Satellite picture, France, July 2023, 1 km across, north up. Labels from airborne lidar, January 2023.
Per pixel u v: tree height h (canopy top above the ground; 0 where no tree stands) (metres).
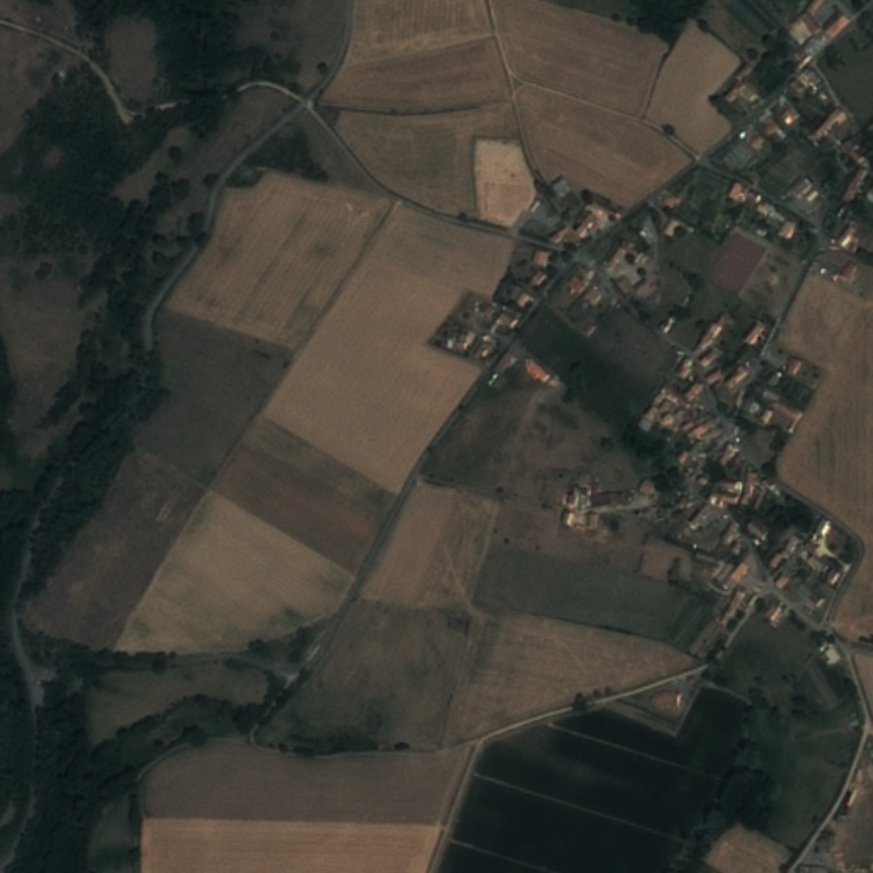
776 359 0
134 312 16
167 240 13
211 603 0
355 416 0
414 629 0
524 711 0
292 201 0
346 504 0
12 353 0
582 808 0
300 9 0
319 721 0
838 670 0
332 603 0
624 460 0
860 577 0
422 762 0
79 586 0
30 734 18
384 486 0
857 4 12
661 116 0
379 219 0
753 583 0
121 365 0
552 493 0
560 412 0
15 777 18
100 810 18
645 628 0
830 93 0
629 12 0
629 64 0
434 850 0
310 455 0
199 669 0
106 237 10
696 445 0
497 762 0
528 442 0
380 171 0
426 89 0
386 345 0
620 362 0
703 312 0
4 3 0
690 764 0
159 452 0
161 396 8
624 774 0
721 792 0
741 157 0
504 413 0
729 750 0
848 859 0
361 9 0
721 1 0
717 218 0
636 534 0
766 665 0
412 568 0
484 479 0
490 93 0
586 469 0
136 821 15
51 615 0
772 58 15
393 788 0
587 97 0
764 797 27
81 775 22
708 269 0
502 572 0
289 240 0
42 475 0
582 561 0
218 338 0
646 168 0
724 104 15
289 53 0
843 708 0
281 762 0
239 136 0
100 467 12
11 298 0
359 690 0
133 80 0
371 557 0
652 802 0
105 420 9
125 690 0
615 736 0
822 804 0
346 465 0
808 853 0
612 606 0
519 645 0
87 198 15
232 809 0
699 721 0
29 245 6
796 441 0
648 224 0
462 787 0
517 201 0
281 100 0
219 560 0
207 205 0
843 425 0
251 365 0
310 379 0
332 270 0
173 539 0
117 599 0
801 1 0
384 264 0
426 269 0
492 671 0
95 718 0
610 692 8
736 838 0
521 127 0
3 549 21
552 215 0
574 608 0
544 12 0
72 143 15
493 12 0
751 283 0
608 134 0
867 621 0
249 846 0
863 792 0
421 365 0
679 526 0
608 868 0
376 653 0
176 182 0
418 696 0
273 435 0
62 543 10
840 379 0
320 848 0
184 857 0
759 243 0
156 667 9
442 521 0
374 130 0
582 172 0
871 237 0
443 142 0
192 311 0
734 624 7
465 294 0
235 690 0
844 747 0
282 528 0
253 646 8
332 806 0
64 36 0
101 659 11
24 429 0
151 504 0
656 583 0
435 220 0
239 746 0
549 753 0
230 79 0
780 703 0
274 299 0
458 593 0
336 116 0
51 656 10
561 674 0
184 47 20
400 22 0
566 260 10
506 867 0
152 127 12
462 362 0
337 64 0
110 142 13
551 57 0
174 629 0
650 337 0
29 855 11
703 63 0
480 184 0
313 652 0
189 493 0
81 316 0
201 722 0
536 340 0
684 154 0
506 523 0
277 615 0
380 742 0
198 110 15
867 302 0
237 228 0
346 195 0
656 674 0
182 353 0
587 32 0
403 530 0
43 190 12
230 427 0
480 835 0
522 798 0
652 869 0
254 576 0
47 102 9
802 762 0
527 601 0
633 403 0
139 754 0
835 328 0
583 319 0
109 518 0
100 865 0
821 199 0
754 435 8
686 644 0
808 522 13
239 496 0
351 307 0
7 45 0
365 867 0
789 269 0
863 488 0
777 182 0
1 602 13
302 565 0
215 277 0
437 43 0
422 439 0
